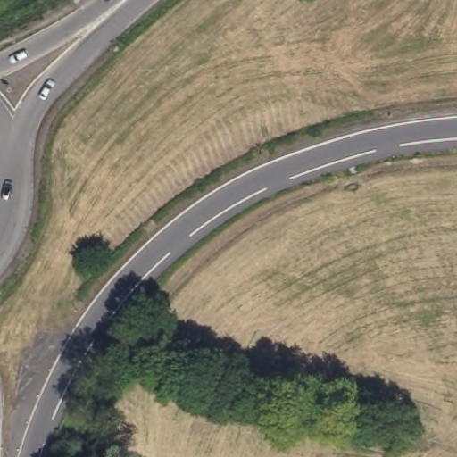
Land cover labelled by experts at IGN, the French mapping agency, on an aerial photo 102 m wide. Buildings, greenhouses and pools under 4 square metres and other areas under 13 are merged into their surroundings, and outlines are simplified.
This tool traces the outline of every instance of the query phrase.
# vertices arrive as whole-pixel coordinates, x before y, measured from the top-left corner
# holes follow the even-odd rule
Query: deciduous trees
[[[100,277],[112,264],[116,264],[111,257],[111,248],[109,245],[105,248],[89,246],[80,253],[71,250],[71,264],[75,273],[79,275],[80,282],[91,275]]]
[[[118,332],[116,337],[120,339],[118,345],[109,346],[105,355],[100,353],[87,361],[86,378],[79,380],[73,387],[73,405],[75,416],[84,423],[84,428],[75,430],[71,427],[57,427],[52,432],[52,436],[55,437],[50,452],[52,457],[143,457],[137,452],[123,452],[120,446],[116,445],[118,439],[114,432],[118,428],[114,425],[114,418],[121,414],[121,411],[116,409],[116,403],[121,400],[125,391],[130,391],[134,386],[141,386],[148,393],[154,393],[155,400],[161,405],[175,402],[177,407],[187,414],[202,416],[216,425],[239,423],[257,427],[271,448],[275,448],[277,452],[287,452],[303,439],[318,441],[320,437],[325,437],[328,441],[339,439],[343,450],[353,446],[357,450],[368,452],[371,446],[380,446],[384,452],[382,457],[400,457],[403,453],[412,452],[416,448],[418,439],[425,432],[416,403],[412,407],[393,402],[359,405],[357,384],[345,378],[339,378],[336,382],[321,382],[318,378],[312,377],[309,371],[286,373],[273,370],[270,377],[261,377],[250,371],[248,359],[243,355],[225,355],[220,348],[195,348],[189,341],[184,341],[186,336],[179,336],[175,332],[179,318],[171,311],[170,305],[155,305],[150,298],[139,295],[134,307],[127,305],[121,311],[120,318],[114,323],[114,330]]]

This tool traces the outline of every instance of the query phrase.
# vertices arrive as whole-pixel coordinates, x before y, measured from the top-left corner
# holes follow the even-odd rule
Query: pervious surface
[[[18,355],[0,352],[0,384],[4,403],[16,407]]]

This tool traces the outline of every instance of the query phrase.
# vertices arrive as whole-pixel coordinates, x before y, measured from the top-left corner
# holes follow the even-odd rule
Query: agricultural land
[[[175,332],[179,336],[186,336],[184,341],[189,341],[195,348],[220,348],[225,355],[243,355],[248,359],[250,371],[261,377],[270,377],[273,370],[286,373],[309,371],[312,377],[318,378],[321,382],[336,382],[339,378],[345,378],[357,384],[359,405],[393,402],[412,407],[416,403],[425,432],[418,439],[416,448],[412,452],[403,453],[400,457],[457,457],[457,157],[414,159],[412,155],[398,155],[382,161],[364,162],[350,170],[350,177],[330,175],[332,180],[323,180],[320,184],[296,189],[248,212],[245,218],[237,220],[234,225],[223,230],[220,236],[214,237],[207,245],[202,246],[193,257],[189,257],[161,287],[161,291],[150,298],[155,305],[170,305],[171,311],[179,318]]]
[[[71,325],[71,321],[79,320],[91,298],[87,296],[86,300],[80,302],[75,296],[80,282],[79,275],[75,273],[71,264],[71,250],[80,253],[89,246],[105,248],[109,245],[111,248],[120,245],[141,221],[154,214],[170,198],[191,186],[196,179],[202,179],[207,173],[211,173],[214,168],[236,159],[237,155],[245,154],[250,146],[270,141],[273,137],[284,136],[291,130],[302,129],[328,118],[336,118],[346,112],[366,111],[384,104],[457,96],[457,0],[182,0],[125,48],[120,61],[114,64],[112,70],[105,73],[102,82],[84,98],[77,112],[73,112],[64,121],[64,127],[61,127],[55,137],[50,155],[50,162],[54,168],[54,212],[43,230],[45,243],[41,246],[36,262],[32,264],[27,277],[23,278],[23,284],[4,305],[0,305],[0,352],[18,355],[21,348],[32,345],[37,330],[59,332]]]
[[[271,448],[257,427],[239,423],[216,425],[202,416],[187,414],[177,407],[175,402],[161,405],[155,400],[154,393],[148,393],[141,386],[134,386],[130,391],[125,391],[121,400],[116,403],[116,409],[121,411],[121,414],[114,418],[114,425],[118,428],[114,432],[118,439],[116,445],[120,446],[123,452],[137,452],[143,457],[382,457],[384,452],[380,446],[371,446],[368,452],[357,450],[353,446],[343,450],[339,439],[328,441],[325,437],[320,437],[318,441],[303,439],[287,452],[277,452],[275,448]]]

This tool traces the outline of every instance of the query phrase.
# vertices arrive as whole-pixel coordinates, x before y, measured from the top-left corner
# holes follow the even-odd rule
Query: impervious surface
[[[46,11],[43,20],[29,23],[27,29],[16,30],[12,36],[0,39],[0,275],[12,261],[12,255],[29,227],[34,200],[34,141],[37,127],[45,116],[48,105],[104,52],[112,39],[123,34],[130,25],[134,25],[161,0],[52,0],[61,5],[59,9]]]
[[[150,298],[161,291],[161,287],[157,284],[157,278],[162,271],[182,257],[189,248],[193,248],[211,230],[220,227],[223,221],[243,211],[248,205],[275,195],[287,187],[293,187],[295,182],[325,173],[330,168],[337,166],[339,171],[350,170],[364,162],[382,161],[398,155],[412,155],[414,159],[457,157],[457,112],[432,116],[416,114],[407,120],[353,130],[278,155],[270,161],[261,162],[237,173],[232,179],[225,180],[204,195],[198,196],[171,220],[166,221],[130,255],[129,259],[123,261],[120,268],[107,278],[104,286],[91,298],[79,320],[71,321],[71,325],[59,332],[37,330],[32,345],[21,348],[18,355],[16,407],[4,403],[0,384],[0,457],[52,457],[50,452],[55,437],[52,436],[52,432],[57,427],[62,405],[73,405],[73,387],[79,380],[86,378],[87,361],[100,353],[105,355],[109,346],[118,345],[120,339],[116,337],[118,332],[114,330],[114,323],[120,318],[121,311],[127,305],[134,307],[139,295]]]

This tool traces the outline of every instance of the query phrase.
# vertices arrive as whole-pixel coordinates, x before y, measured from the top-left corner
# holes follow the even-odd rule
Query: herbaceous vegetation
[[[23,284],[23,278],[27,277],[32,264],[36,262],[41,246],[45,243],[43,230],[54,212],[54,168],[50,162],[50,155],[55,137],[61,127],[64,127],[64,121],[73,112],[77,112],[84,98],[102,82],[105,73],[112,70],[114,64],[120,61],[125,48],[182,0],[161,0],[134,25],[130,25],[123,34],[112,39],[104,52],[48,105],[45,116],[37,127],[34,141],[34,200],[29,227],[12,255],[12,261],[0,275],[0,305],[4,305]]]
[[[350,177],[350,170],[339,171],[337,166],[330,168],[325,173],[295,182],[293,187],[287,187],[275,195],[248,205],[243,211],[223,221],[220,227],[211,230],[193,248],[189,248],[182,257],[162,271],[157,278],[157,284],[161,287],[189,257],[193,257],[202,246],[207,245],[214,237],[220,236],[223,230],[234,225],[237,220],[245,218],[248,212],[296,189],[320,184],[323,180],[332,180],[330,175]]]
[[[16,30],[27,29],[29,23],[43,20],[46,11],[59,9],[61,5],[52,0],[0,0],[0,39],[12,36]]]
[[[73,405],[62,405],[57,427],[71,427],[75,430],[84,428],[84,423],[75,416]]]
[[[107,278],[120,268],[123,261],[129,259],[130,255],[166,221],[171,220],[198,196],[204,195],[225,180],[232,179],[237,173],[261,162],[270,161],[278,155],[353,130],[407,120],[416,114],[432,116],[457,112],[457,96],[384,104],[366,111],[346,112],[336,118],[328,118],[302,129],[291,130],[284,136],[273,137],[270,141],[250,146],[245,154],[237,155],[236,159],[214,168],[211,173],[207,173],[202,179],[196,179],[191,186],[170,198],[154,214],[141,221],[120,245],[111,248],[111,257],[116,264],[112,264],[100,277],[91,275],[80,282],[75,296],[80,302],[86,300],[87,296],[91,298],[104,286]]]

